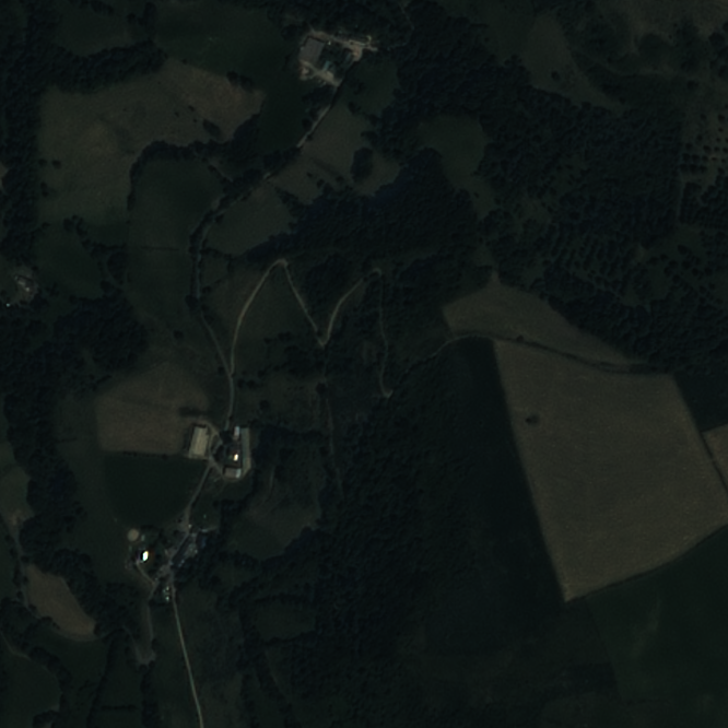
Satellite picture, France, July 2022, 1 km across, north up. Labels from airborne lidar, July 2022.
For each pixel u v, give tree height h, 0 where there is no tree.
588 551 0
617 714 0
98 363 13
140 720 0
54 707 0
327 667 21
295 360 8
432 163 22
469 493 0
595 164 10
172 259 0
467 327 0
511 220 14
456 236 20
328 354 9
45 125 0
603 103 0
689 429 0
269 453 25
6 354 20
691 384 0
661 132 6
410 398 7
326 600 22
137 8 0
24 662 0
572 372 0
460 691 0
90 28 0
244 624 17
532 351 0
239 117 0
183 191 0
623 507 0
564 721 0
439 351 0
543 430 0
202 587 12
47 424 16
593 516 0
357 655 14
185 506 0
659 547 0
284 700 9
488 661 0
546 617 0
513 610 0
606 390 0
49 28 21
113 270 13
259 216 0
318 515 0
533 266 7
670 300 8
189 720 0
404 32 16
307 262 0
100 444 0
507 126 28
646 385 0
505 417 0
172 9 0
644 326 32
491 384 0
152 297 0
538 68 0
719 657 0
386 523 18
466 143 0
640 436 0
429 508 12
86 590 21
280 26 15
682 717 0
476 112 15
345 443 10
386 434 10
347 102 0
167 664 0
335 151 0
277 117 0
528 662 0
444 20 12
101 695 9
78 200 0
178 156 25
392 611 20
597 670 0
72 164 0
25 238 25
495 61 13
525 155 23
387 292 6
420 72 20
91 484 0
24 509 0
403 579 21
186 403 0
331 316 0
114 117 0
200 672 0
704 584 0
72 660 0
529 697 0
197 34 0
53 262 0
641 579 0
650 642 0
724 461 0
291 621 0
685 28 7
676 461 0
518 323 0
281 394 0
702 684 0
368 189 0
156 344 0
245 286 0
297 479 0
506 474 0
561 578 0
